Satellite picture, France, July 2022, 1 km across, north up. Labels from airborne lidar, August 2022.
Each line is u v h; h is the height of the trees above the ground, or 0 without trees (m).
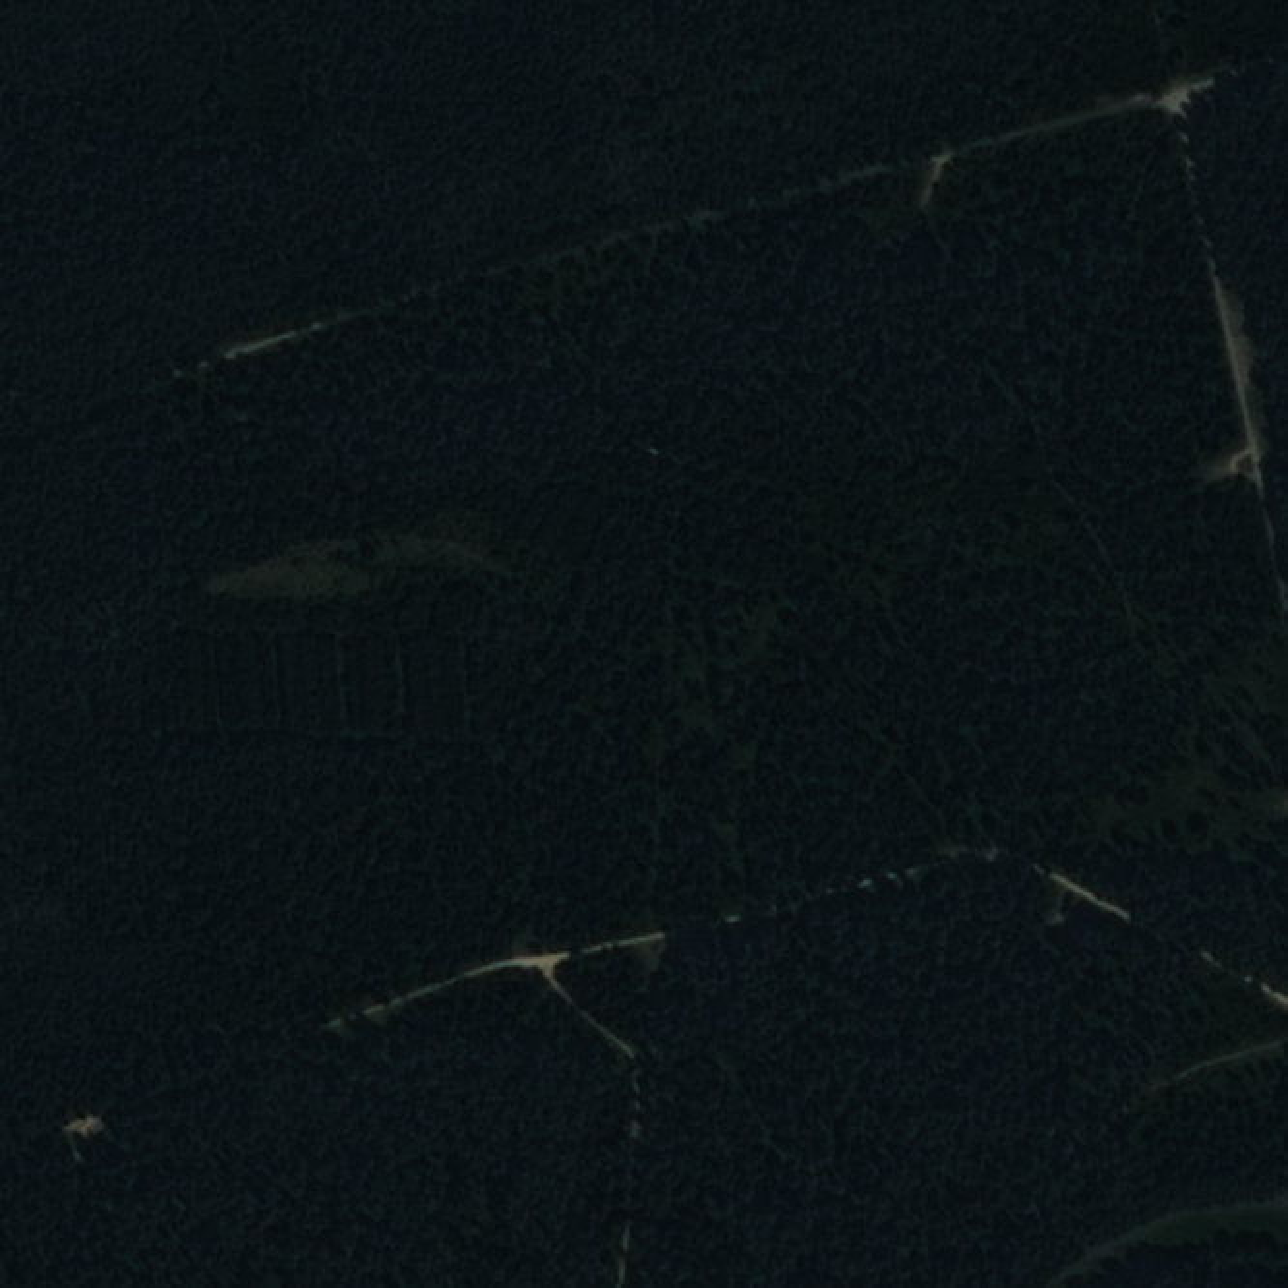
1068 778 20
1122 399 19
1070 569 14
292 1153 34
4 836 28
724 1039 13
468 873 25
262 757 28
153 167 32
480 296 12
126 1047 16
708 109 14
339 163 29
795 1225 36
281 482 20
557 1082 37
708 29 22
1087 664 15
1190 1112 15
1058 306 19
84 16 25
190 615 15
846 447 12
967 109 25
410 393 34
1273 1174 25
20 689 28
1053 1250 29
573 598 18
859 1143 21
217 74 10
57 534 30
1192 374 7
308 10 22
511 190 20
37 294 31
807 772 12
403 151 16
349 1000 10
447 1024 19
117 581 34
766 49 21
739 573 17
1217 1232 0
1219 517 16
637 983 12
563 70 28
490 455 36
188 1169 38
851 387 20
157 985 28
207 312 26
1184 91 0
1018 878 17
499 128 23
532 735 11
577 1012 12
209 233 27
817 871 32
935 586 20
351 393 37
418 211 18
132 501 25
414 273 20
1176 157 6
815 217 17
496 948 20
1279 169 30
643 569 27
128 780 27
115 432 33
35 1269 36
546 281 14
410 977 19
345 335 13
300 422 13
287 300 25
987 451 7
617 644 16
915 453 9
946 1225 42
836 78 24
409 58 21
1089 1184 11
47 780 28
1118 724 19
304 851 12
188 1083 36
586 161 21
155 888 28
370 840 12
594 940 6
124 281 27
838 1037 12
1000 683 24
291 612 14
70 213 26
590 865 15
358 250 23
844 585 7
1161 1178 29
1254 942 40
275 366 17
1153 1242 0
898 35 21
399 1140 37
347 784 29
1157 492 12
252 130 13
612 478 13
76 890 19
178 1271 27
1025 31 9
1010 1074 34
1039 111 15
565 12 28
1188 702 14
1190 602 10
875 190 13
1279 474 19
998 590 24
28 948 26
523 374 19
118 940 24
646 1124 33
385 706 14
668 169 28
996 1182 35
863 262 9
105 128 23
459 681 17
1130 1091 18
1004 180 27
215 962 24
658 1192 31
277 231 27
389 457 20
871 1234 9
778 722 16
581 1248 36
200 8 14
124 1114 30
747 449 11
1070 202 19
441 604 15
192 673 17
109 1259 28
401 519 12
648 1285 39
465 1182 37
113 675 27
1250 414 0
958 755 22
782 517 7
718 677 20
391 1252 33
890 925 46
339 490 12
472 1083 35
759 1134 24
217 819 18
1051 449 18
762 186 28
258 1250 36
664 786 13
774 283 36
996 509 8
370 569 6
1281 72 27
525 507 17
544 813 17
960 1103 36
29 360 29
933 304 34
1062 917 0
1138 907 40
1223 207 31
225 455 22
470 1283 12
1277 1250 27
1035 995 24
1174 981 37
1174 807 0
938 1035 36
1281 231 27
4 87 7
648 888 6
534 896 12
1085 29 11
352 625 15
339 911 14
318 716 15
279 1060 43
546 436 33
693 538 15
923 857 27
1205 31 9
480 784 16
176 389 10
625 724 17
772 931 44
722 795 10
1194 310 11
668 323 34
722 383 18
